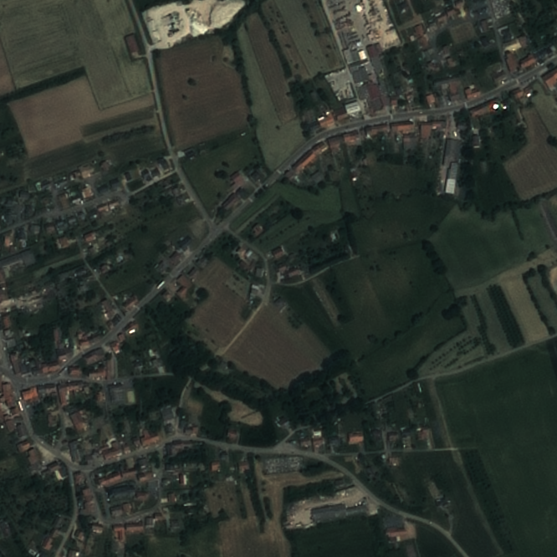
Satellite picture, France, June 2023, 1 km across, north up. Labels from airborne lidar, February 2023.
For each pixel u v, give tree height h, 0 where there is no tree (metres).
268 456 0
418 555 0
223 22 0
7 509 6
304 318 0
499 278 0
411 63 0
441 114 0
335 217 0
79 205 0
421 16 0
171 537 0
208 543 0
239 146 0
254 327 0
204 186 0
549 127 0
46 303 0
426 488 0
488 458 0
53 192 0
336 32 0
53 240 6
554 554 0
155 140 0
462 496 0
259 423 0
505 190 0
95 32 0
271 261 0
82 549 0
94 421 0
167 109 0
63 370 0
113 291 0
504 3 0
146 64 0
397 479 0
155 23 0
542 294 0
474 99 0
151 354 0
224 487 0
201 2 0
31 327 0
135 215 0
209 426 0
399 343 0
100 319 0
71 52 0
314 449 0
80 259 0
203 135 0
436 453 0
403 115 0
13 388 0
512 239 0
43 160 0
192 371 15
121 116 0
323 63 0
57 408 0
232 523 0
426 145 0
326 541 0
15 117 0
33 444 0
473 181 13
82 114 0
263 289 0
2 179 6
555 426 0
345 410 16
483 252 0
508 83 0
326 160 0
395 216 0
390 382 0
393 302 0
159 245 0
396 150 0
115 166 0
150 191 8
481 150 0
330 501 0
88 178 0
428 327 0
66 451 0
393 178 0
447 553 0
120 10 0
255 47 0
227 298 0
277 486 0
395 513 0
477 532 0
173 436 0
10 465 0
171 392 11
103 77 0
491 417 0
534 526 0
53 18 0
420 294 0
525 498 0
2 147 0
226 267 0
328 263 14
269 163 0
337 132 0
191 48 0
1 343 0
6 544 0
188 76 0
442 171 0
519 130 6
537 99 0
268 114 0
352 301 0
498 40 0
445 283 0
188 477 0
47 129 0
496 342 0
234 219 0
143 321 0
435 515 0
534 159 0
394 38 0
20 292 0
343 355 20
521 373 0
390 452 0
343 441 0
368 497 0
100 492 0
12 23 0
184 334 13
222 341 0
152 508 0
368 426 8
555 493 0
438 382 0
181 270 0
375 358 0
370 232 0
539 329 0
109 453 0
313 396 0
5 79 0
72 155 0
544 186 0
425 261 0
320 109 0
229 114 0
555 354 0
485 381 0
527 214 0
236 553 0
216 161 0
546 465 0
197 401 0
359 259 0
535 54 0
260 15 7
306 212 0
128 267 0
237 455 0
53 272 14
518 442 0
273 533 0
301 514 0
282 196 0
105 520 0
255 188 0
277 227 0
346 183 0
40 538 0
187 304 0
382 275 0
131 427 0
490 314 0
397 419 0
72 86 0
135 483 0
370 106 0
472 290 0
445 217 0
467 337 0
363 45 0
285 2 0
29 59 0
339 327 0
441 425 0
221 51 0
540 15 6
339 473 0
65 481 6
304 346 0
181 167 0
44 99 0
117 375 0
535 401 0
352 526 0
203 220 0
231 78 0
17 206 0
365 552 0
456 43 0
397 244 0
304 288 0
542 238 0
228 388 6
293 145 0
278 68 0
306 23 0
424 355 0
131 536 0
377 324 0
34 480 13
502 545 0
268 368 0
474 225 0
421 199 0
